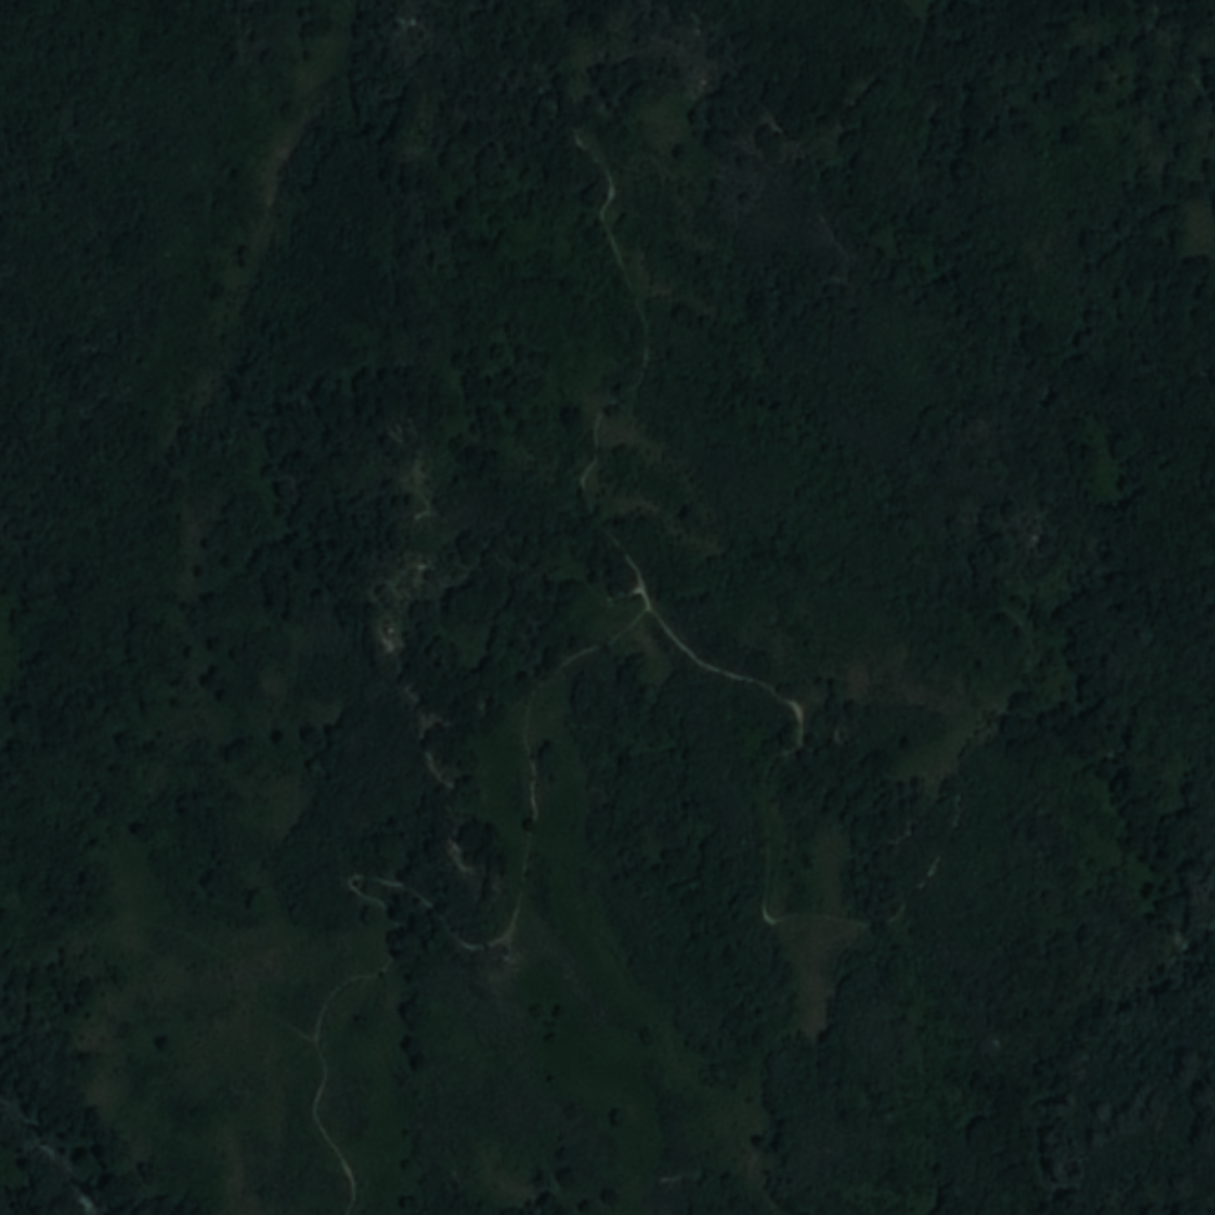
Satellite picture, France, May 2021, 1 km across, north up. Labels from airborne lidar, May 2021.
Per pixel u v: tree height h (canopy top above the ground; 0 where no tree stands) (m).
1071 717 15
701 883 8
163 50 15
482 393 24
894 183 8
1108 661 13
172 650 9
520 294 11
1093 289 12
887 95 19
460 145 16
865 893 12
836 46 9
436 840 15
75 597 15
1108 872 7
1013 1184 19
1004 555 18
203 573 15
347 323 6
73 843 14
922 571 6
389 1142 0
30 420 18
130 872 0
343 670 7
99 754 15
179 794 6
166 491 14
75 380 11
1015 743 14
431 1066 13
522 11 18
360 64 9
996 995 14
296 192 6
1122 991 15
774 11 7
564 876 0
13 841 11
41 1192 20
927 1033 11
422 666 21
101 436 13
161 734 12
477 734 23
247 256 15
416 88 12
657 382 9
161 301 11
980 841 8
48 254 13
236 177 11
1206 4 9
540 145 11
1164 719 12
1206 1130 20
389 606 8
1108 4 19
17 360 15
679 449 6
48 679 16
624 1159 0
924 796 17
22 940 6
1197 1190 8
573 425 20
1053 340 15
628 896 7
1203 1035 7
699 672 6
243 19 7
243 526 9
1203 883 11
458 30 12
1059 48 19
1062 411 23
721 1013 10
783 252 6
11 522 10
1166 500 17
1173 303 19
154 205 11
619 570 12
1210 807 7
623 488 7
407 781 6
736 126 11
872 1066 7
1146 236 18
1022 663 6
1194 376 21
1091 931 16
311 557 20
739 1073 10
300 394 12
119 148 15
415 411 14
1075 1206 28
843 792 15
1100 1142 15
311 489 15
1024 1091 24
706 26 11
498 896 10
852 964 10
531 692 18
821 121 15
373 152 6
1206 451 21
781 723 6
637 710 10
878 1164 9
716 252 6
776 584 9
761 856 9
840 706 12
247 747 16
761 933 7
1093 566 24
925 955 7
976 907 13
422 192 10
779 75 11
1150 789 7
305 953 0
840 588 11
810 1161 6
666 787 12
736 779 11
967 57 28
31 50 14
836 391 8
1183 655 15
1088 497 20
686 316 13
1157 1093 8
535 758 7
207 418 7
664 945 12
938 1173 12
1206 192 13
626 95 14
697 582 10
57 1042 12
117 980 9
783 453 10
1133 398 24
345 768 6
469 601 21
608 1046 0
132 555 8
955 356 15
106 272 11
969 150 19
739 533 8
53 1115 27
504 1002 0
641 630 0
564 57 14
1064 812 13
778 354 6
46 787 9
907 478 8
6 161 16
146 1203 13
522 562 19
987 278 21
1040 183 9
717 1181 9
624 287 12
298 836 6
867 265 10
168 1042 15
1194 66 17
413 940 21
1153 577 23
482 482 11
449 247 9
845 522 10
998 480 8
